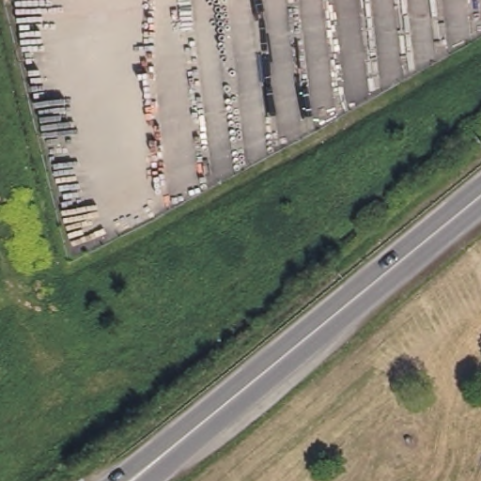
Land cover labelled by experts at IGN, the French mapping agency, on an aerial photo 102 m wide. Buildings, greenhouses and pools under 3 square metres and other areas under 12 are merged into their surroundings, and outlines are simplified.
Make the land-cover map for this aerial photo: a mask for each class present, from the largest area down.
<instances>
[{"label":"impervious surface","instance_id":"1","mask_svg":"<svg viewBox=\"0 0 481 481\"><path fill-rule=\"evenodd\" d=\"M6 28H11L15 45L13 68H21V79L26 86V100L30 103L32 116L36 120V132L41 137L47 154V169L51 171V178L58 188L54 207L56 210H62V222L68 233L70 252L75 257L83 256L86 252H92L111 242L118 237V231L130 229L133 225L154 218L165 207L190 201L195 195L203 194L205 190L218 186L227 178L235 177L242 167H254L265 158H271L274 148L278 145L289 147L293 143H299L310 133L316 132L318 124H331L342 111L357 109L365 101L378 98L383 92L395 88L398 83L410 79L413 71L425 70L430 60L440 62L449 56V51H455L468 39L481 34V0H2ZM481 224V169L466 182H462L455 192L447 195L434 209L428 210L423 218H419L402 235H398L393 242L383 246L368 259L363 267H359L348 276L346 282H342L310 310H306L301 318L287 325L286 329H282L265 346L257 349L254 355H250L242 365L237 366L231 374H227L224 380L218 381L205 395L199 396L190 408H186L175 419H171L162 430L154 432L147 442L141 443L128 457L118 460L115 466L96 470L92 475L79 481H171L180 473L190 470L203 458L209 457L210 453L220 449L224 443L235 438L240 430L256 421L259 415L272 408L287 391H291L299 381H303L314 368H318L334 349L340 348L351 334L359 329V325L372 312H376L389 297H393L400 287L406 286L419 272L425 271L432 261H436L443 252H447L455 242L468 235L473 227Z\"/></svg>","mask_w":481,"mask_h":481},{"label":"herbaceous vegetation","instance_id":"2","mask_svg":"<svg viewBox=\"0 0 481 481\"><path fill-rule=\"evenodd\" d=\"M2 0H0V481H56L54 470L60 462H70V458L81 453L85 445L103 438L111 430L122 427L126 419H132L137 415V408L150 404L160 391L169 389L190 368L209 359L214 351H220L214 338H218L225 329L235 327L246 310L261 306L265 297L278 286L286 261H303L304 248L316 246L321 237L344 235L349 229V220H357L359 212L368 205H381L383 209H389L387 199L398 188L402 178L406 175H415L419 169L427 167L428 162L436 160L440 148L449 137L458 135L464 124L481 115V34L468 39L455 51H449V56L440 62L430 60L425 70L413 71L410 79L398 83L395 88L383 92L378 98L365 101L357 109L342 111L331 124H318L316 132L310 133L299 143H293L289 147L278 145L274 148L271 158H265L254 167H242L235 177L227 178L218 186L205 190L203 194L195 195L190 201L165 207L154 218L133 225L130 229L118 231V237L111 242L92 252H86L83 256L75 257L70 252L68 233L62 222V210H56L54 207L58 188L51 178V171L47 169V154L41 137L36 132V120L32 116L30 103L26 100V86L21 79V68H13L15 45L11 28H6ZM455 160L462 165L464 173L453 182H449L442 192L432 195L423 205L411 210L402 224L391 233H387L366 254L368 259L383 246L393 242L398 235H402L419 218H423L428 210L434 209L447 195L455 192L462 182H466L481 169V137L475 139V148L470 152H455ZM481 242V224L473 227L468 235L455 242L447 252H443L436 261H432L425 271L419 272L406 286L400 287L393 297H389L376 312H372L359 325V329L351 334L340 348L334 349L318 368H314L303 381H299L291 391H287L272 408L259 415L256 421L240 430L235 438L224 443L220 449L210 453L209 457L203 458L190 470L180 473L171 481H194L212 464L235 451L240 443L274 419L280 411L286 410L287 404L295 396L301 395L304 389L316 385L321 378H325L333 366L342 365L355 349L365 346L366 340L372 334L378 333L383 325H387L389 319L395 316L404 304L413 301L417 293L428 289L430 282L438 280L442 274L449 271L460 257L468 254L473 244Z\"/></svg>","mask_w":481,"mask_h":481},{"label":"agricultural land","instance_id":"3","mask_svg":"<svg viewBox=\"0 0 481 481\"><path fill-rule=\"evenodd\" d=\"M398 357H408L413 361V365L417 366V370H427L436 393L434 404L427 410L419 413L406 410L391 391L389 368ZM475 372H481V242L473 244L468 254L460 257L449 271L442 274L438 280L430 282L428 289L417 293L413 301L404 304L395 316L389 319L387 325H383L378 333L372 334L366 340L365 346L355 349L342 365L333 366L325 378H321L316 385L304 389L301 395L295 396L287 404L286 410L280 411L274 419L240 443L235 451L212 464L194 481H314L308 468L316 462L331 460L340 455L344 458V472L338 473L331 481H481V406H470L462 398L458 387L472 380Z\"/></svg>","mask_w":481,"mask_h":481},{"label":"brushwood","instance_id":"4","mask_svg":"<svg viewBox=\"0 0 481 481\"><path fill-rule=\"evenodd\" d=\"M481 137V115L464 124L458 135L449 137L440 148L436 160L428 162L427 167L419 169L415 175H406L402 178L398 188L387 199L389 209H383L381 205H368L359 212L357 220H349V229L344 235L321 237L316 246L304 248L303 261H286L278 286L265 297L261 306L246 310L235 327L225 329L218 338H214L220 351H214L209 359L190 368L169 389L160 391L150 404L137 408V415L132 419H126L122 427L111 430L103 438L85 445L81 453L70 458V462H60L54 470L56 481H79L92 475L96 470L115 466L118 460L128 457L141 443L147 442L154 432L162 430L171 419H175L186 408H190L199 396L205 395L218 381L224 380L227 374H231L237 366L242 365L250 355H254L257 349L265 346L282 329H286L287 325L301 318L306 310H310L342 282H346L348 276L359 267H363L368 259L366 254L387 233H391L402 224L411 210L423 205L432 195L442 192L449 182H453L464 173L462 165L455 160V152H470L475 148V139Z\"/></svg>","mask_w":481,"mask_h":481},{"label":"deciduous trees","instance_id":"5","mask_svg":"<svg viewBox=\"0 0 481 481\"><path fill-rule=\"evenodd\" d=\"M391 391L406 410L419 413L427 410L434 404L436 393L427 370H417V366L413 365V361L408 357H398L389 368ZM462 398L470 406H481V372H475L472 380L458 387ZM314 481H331L338 473L344 472V458L340 455L331 460L316 462L308 468Z\"/></svg>","mask_w":481,"mask_h":481}]
</instances>
